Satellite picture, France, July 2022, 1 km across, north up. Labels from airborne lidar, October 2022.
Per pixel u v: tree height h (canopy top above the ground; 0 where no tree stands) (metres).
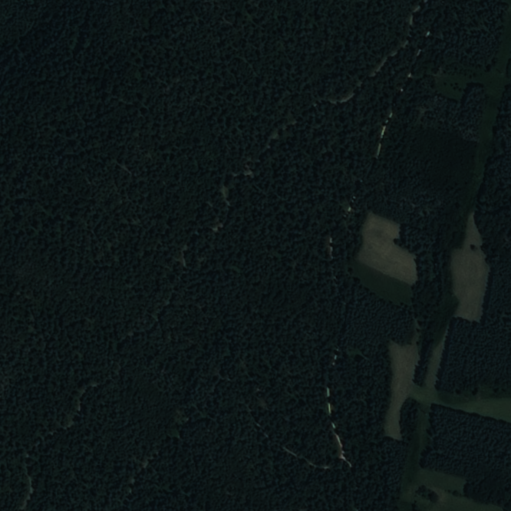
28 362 8
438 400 0
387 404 7
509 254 22
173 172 15
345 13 6
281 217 21
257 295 27
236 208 14
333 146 7
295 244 29
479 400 0
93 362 29
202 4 23
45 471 18
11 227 26
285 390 29
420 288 20
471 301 0
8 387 21
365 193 32
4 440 31
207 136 13
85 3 21
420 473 0
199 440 33
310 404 18
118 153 11
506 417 0
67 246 8
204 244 19
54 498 15
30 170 25
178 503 9
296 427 31
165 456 25
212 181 14
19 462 7
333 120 21
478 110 22
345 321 21
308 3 25
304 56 16
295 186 14
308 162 36
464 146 13
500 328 27
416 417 22
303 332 25
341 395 29
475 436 31
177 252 31
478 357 25
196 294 27
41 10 15
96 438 13
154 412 20
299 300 23
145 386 25
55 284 21
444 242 31
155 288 12
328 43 31
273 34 14
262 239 17
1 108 24
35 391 25
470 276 0
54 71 30
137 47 22
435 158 13
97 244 23
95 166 10
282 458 28
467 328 24
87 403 19
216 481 18
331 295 28
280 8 17
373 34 14
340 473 25
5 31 26
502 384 20
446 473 17
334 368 29
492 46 16
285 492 36
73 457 16
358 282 23
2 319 21
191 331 17
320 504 27
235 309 24
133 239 23
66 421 22
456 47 26
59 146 24
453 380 24
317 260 26
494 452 19
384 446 27
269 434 13
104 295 26
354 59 19
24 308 7
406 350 0
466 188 9
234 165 13
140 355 30
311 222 29
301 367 22
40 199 19
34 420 13
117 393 19
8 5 24
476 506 0
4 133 18
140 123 15
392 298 0
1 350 23
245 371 20
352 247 31
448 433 30
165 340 27
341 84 17
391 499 26
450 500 0
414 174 7
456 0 18
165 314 24
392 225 0
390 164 12
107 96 32
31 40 23
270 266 32
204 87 12
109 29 21
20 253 33
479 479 18
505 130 27
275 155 38
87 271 23
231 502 24
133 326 24
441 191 20
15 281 19
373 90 12
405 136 11
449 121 15
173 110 19
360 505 23
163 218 31
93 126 16
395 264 0
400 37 23
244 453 26
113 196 15
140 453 22
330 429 31
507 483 21
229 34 21
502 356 21
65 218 29
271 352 27
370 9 25
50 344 32
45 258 30
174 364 8
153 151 19
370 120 19
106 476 29
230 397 13
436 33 31
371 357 31
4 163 8
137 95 9
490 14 13
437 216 19
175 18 29
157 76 18
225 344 29
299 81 23
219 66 32
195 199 12
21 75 27
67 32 18
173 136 21
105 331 29
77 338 23
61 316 22
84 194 20
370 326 30
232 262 36
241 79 22
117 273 21
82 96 24
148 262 11
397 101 23
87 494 17
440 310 7
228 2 16
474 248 18
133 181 10
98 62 24
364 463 28
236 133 28
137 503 35
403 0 18
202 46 17
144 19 11
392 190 22
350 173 11
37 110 16
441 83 0
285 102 27
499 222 29
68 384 28
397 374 0
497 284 16
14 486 21
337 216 27
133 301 22
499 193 20
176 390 7
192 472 21
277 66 21
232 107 14
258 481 30
